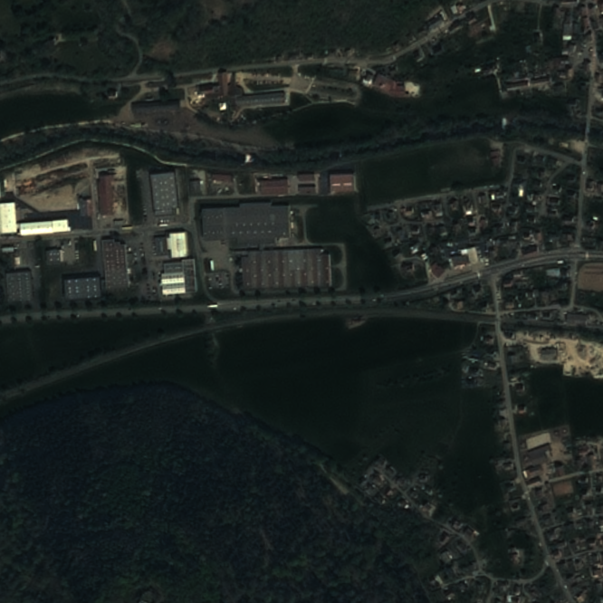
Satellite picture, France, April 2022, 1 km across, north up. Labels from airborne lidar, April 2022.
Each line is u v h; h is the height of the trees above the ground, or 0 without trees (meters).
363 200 0
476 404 0
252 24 7
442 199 0
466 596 6
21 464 19
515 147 0
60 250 0
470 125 17
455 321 0
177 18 20
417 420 0
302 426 0
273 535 32
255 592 37
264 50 8
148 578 19
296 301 0
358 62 0
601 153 11
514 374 10
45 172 0
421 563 22
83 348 0
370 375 0
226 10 0
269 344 0
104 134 17
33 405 0
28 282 0
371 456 0
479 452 0
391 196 0
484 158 0
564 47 0
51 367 0
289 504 28
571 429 0
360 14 16
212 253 0
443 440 0
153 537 27
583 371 0
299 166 18
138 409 25
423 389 0
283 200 0
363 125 0
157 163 0
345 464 0
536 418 0
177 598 25
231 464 28
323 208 0
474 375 0
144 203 0
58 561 28
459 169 0
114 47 21
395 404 0
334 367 0
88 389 0
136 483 22
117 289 0
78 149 0
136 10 11
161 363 0
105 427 21
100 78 13
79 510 19
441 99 0
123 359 0
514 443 0
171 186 0
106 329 0
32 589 13
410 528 16
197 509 29
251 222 0
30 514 21
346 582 19
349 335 0
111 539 23
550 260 0
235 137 0
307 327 0
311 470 30
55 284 0
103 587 25
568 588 0
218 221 0
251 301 0
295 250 0
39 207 0
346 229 0
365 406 0
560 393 0
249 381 0
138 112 0
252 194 0
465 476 0
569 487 0
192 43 19
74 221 0
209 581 23
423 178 0
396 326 0
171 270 0
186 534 26
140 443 25
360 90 0
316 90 0
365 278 0
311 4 16
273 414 0
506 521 0
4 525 25
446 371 6
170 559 22
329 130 0
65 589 25
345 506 28
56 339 0
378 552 33
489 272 0
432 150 0
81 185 0
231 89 0
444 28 0
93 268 0
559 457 0
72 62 0
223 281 0
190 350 0
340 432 0
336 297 9
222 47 9
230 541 26
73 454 28
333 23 11
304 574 31
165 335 12
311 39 12
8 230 0
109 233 0
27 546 20
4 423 0
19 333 0
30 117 0
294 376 0
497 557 0
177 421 20
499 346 0
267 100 0
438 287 0
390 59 0
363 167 0
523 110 8
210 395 0
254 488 33
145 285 0
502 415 0
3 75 16
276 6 13
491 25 0
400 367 0
